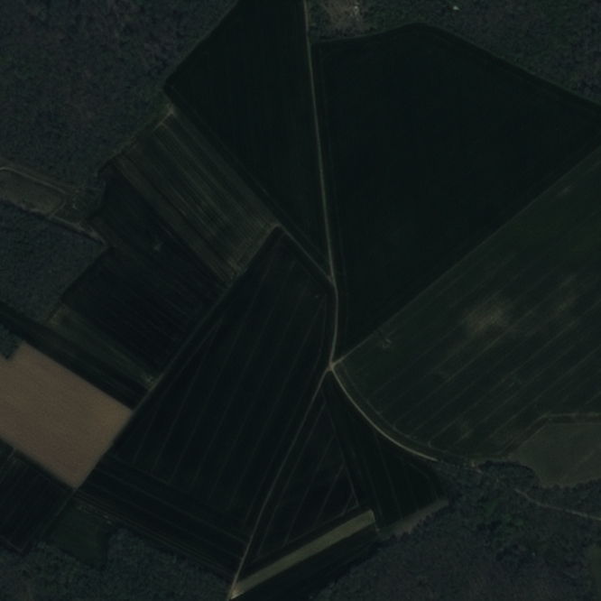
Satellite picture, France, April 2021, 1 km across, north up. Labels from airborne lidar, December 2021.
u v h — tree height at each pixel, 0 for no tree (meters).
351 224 0
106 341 0
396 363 0
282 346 0
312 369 0
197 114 0
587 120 0
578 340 0
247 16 0
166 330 0
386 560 18
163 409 0
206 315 0
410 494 0
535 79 0
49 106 19
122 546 22
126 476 0
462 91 0
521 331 0
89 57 25
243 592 0
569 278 0
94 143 20
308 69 0
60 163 20
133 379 0
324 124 0
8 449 0
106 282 0
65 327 0
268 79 0
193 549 0
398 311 0
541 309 0
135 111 23
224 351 0
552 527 26
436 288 0
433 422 0
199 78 0
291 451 0
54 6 26
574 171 0
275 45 0
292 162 0
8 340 17
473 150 0
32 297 17
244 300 0
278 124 0
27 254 22
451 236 0
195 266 0
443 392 0
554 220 0
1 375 0
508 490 24
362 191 0
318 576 0
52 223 6
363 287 0
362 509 0
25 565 18
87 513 0
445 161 0
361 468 0
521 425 0
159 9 26
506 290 0
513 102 0
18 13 26
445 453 0
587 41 16
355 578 18
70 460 0
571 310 0
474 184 0
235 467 0
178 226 0
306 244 0
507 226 0
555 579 26
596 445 0
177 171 0
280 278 0
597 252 0
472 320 0
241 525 0
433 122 0
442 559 22
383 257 0
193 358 0
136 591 19
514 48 17
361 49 0
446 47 0
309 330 0
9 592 22
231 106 0
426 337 0
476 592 21
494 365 0
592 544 22
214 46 0
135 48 31
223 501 0
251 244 0
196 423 0
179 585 21
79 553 0
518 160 0
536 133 0
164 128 0
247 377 0
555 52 22
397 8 13
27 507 0
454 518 22
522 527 12
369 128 0
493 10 24
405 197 0
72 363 0
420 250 0
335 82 0
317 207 0
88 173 18
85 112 24
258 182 0
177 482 0
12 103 20
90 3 23
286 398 0
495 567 24
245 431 0
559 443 0
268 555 0
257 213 0
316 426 0
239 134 0
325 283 0
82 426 0
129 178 0
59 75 23
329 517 0
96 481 0
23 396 0
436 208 0
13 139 18
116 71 27
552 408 0
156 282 0
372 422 0
